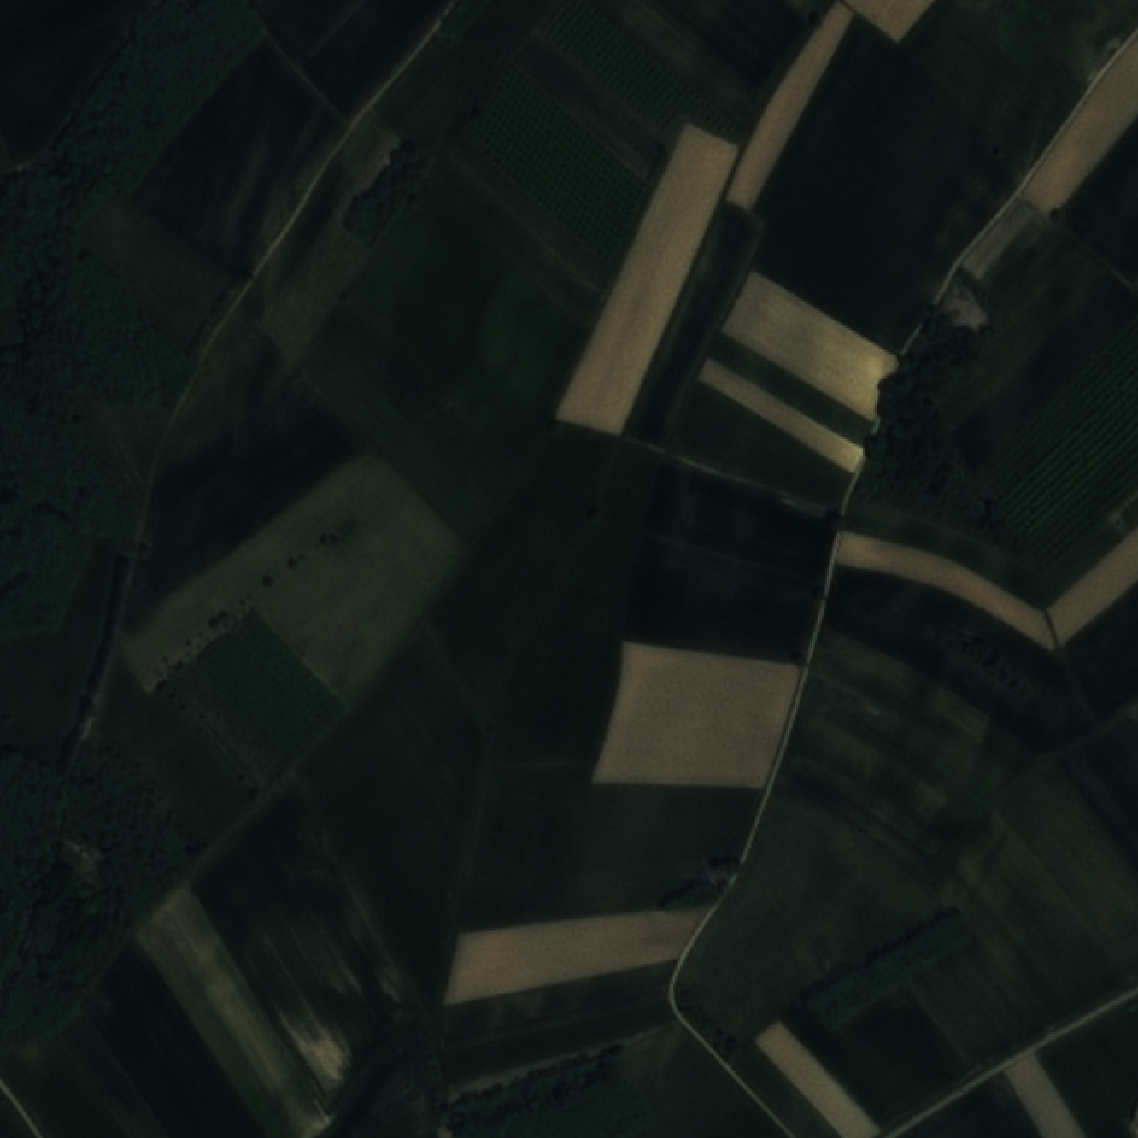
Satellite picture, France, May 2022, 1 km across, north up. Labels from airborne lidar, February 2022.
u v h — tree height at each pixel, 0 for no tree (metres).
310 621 0
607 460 0
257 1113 0
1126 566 0
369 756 0
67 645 0
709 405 0
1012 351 0
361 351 0
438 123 0
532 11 0
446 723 0
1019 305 0
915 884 0
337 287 0
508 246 0
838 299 0
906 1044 0
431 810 0
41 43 0
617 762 0
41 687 0
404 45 0
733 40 0
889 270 0
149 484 0
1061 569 0
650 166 0
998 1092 0
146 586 0
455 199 0
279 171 0
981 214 0
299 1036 0
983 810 0
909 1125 0
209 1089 0
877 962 17
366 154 0
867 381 0
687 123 0
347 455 0
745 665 0
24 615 16
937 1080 0
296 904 0
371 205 14
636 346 0
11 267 15
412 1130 0
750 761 0
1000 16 0
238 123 0
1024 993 0
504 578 0
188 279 0
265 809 0
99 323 13
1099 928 0
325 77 0
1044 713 0
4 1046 21
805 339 0
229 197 0
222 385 0
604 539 0
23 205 10
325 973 0
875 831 0
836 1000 18
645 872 0
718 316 0
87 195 13
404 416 0
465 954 0
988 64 0
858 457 0
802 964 0
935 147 0
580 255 0
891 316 0
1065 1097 0
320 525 0
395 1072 0
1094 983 0
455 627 0
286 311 0
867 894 0
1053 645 0
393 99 0
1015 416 0
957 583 0
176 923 0
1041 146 0
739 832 0
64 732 0
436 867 0
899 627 0
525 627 0
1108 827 0
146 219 0
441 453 0
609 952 0
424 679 0
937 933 16
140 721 0
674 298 0
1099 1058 0
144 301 0
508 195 0
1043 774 0
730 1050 12
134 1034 0
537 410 0
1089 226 0
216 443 0
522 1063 0
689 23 0
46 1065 0
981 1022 0
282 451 0
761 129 0
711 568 0
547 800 0
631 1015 0
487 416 0
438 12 0
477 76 0
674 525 0
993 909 0
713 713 0
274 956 0
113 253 0
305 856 0
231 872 0
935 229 0
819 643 0
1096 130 0
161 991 0
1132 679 0
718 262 0
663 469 0
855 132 0
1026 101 0
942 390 16
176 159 0
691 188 0
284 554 0
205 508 0
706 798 0
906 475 12
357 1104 0
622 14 0
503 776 0
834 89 0
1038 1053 0
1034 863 0
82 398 0
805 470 0
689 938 0
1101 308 0
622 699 0
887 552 0
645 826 0
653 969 0
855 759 0
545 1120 14
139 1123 0
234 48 17
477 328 0
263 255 0
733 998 0
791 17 0
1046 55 0
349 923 0
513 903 0
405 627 0
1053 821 0
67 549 18
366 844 0
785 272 0
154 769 0
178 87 16
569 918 0
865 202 0
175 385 11
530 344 0
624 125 0
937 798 0
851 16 0
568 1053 0
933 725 0
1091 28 0
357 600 0
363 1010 0
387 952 0
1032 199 0
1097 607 0
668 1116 0
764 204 0
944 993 0
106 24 0
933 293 0
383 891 0
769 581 0
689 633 0
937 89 0
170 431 0
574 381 0
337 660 0
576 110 0
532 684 0
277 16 0
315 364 0
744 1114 0
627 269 0
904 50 0
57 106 0
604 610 0
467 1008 0
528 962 0
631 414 0
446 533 0
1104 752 0
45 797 17
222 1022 0
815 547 0
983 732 0
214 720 0
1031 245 0
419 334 0
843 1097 0
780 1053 0
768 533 0
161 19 19
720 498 0
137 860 12
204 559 0
